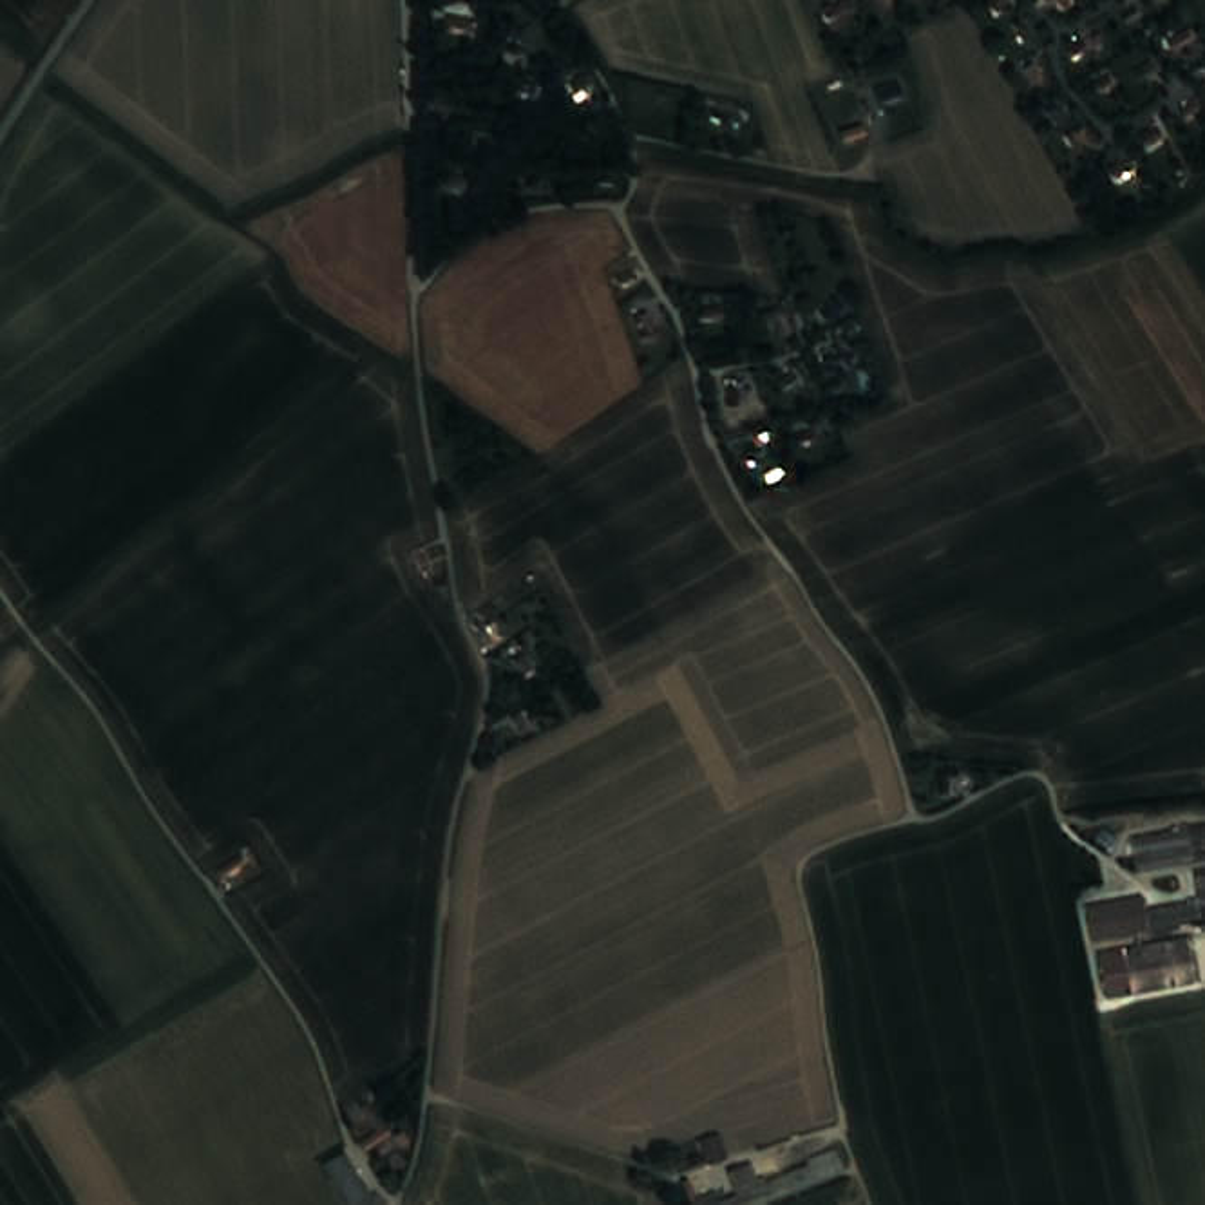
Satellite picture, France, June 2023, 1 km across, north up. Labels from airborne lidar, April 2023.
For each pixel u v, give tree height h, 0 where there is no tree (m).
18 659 0
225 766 0
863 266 0
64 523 0
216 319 0
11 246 0
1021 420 0
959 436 0
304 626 0
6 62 0
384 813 0
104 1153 0
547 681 10
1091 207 12
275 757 0
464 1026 0
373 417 0
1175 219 0
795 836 0
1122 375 0
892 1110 0
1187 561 0
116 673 0
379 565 0
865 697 0
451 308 0
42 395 0
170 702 0
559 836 0
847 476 0
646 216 0
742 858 0
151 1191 0
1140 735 0
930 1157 0
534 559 0
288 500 0
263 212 0
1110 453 0
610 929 0
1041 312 0
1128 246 0
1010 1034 0
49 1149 0
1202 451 0
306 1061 0
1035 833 0
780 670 0
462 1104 0
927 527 0
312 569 0
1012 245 12
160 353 0
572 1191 0
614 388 0
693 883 0
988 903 0
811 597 0
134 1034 0
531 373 0
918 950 0
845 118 0
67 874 0
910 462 0
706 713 0
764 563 0
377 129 0
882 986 0
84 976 0
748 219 0
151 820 0
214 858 0
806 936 0
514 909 0
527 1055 0
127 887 0
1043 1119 0
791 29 0
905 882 0
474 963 0
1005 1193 0
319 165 0
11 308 0
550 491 0
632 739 0
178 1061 0
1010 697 0
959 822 0
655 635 0
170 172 0
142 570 0
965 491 0
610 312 0
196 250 0
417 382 0
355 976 0
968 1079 0
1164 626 0
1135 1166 0
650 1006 0
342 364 0
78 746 0
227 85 0
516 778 0
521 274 0
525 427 0
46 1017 0
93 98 0
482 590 0
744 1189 0
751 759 0
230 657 0
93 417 0
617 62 0
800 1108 0
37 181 0
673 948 0
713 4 0
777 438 11
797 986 0
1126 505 0
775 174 0
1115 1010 0
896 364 0
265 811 0
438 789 0
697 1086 0
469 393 0
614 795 0
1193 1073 0
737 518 0
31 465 0
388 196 0
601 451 0
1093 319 0
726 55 0
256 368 0
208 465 0
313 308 0
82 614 0
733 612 0
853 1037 0
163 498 0
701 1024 0
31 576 0
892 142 0
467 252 0
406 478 0
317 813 0
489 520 0
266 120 0
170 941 0
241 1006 0
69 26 0
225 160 0
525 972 0
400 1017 0
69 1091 0
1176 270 0
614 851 0
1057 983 0
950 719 0
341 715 0
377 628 0
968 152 0
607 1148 0
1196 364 0
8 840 0
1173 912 0
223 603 0
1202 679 0
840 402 11
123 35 0
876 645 0
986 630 0
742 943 0
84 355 0
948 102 0
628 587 0
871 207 0
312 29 0
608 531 0
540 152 28
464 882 0
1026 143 0
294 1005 0
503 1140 0
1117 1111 0
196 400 0
